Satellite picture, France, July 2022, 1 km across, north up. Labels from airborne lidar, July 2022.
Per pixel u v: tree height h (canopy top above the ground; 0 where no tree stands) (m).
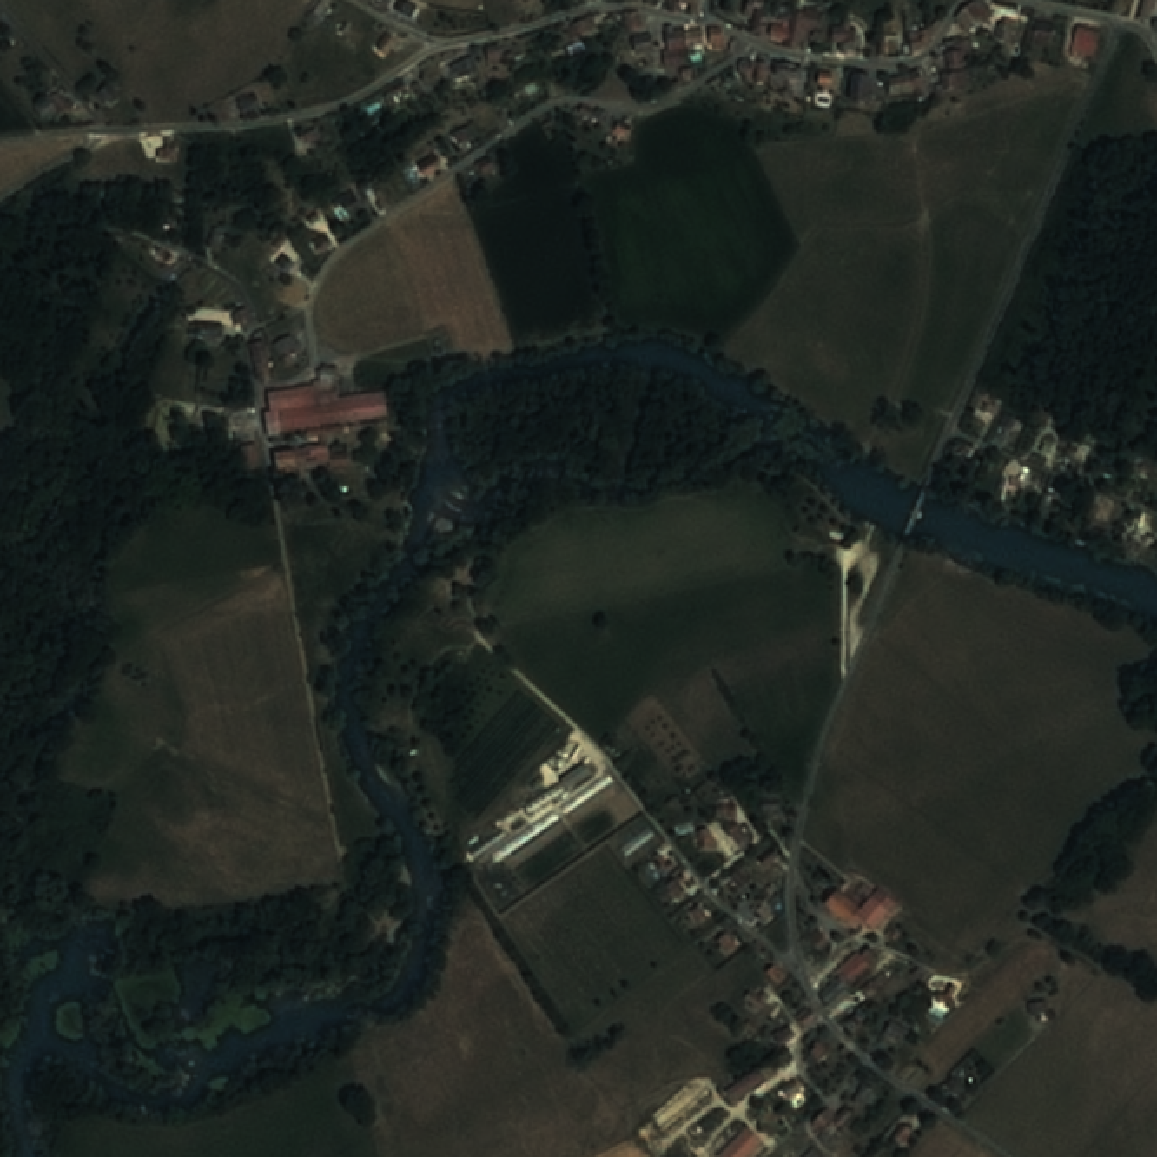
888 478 0
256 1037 0
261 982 14
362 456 11
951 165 0
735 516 0
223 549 0
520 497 17
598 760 0
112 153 0
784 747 0
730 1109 0
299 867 0
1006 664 0
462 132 0
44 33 0
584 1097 0
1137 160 8
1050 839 0
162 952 13
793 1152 0
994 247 0
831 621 0
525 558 0
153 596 0
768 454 19
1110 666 0
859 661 0
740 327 0
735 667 0
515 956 14
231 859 0
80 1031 0
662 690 0
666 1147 0
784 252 0
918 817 0
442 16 8
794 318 0
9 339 18
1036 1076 0
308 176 9
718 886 6
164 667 0
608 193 0
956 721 0
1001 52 6
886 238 0
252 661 0
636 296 0
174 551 0
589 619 0
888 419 23
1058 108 0
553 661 0
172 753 0
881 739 0
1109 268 22
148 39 0
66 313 19
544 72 15
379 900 15
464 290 0
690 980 0
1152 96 0
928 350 0
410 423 18
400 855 6
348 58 0
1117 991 0
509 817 0
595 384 19
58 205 26
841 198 0
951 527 0
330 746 0
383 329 0
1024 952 0
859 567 0
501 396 17
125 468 25
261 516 6
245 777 0
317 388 0
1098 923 0
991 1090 0
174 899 0
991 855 0
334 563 0
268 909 15
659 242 0
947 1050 0
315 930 10
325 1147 0
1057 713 0
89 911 11
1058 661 0
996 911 0
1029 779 0
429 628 0
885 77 11
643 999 0
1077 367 19
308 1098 0
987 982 0
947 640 0
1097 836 19
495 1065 0
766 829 10
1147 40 0
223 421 9
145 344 20
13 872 10
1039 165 0
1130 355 19
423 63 0
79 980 0
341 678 16
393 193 0
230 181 8
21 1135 0
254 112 7
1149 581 0
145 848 0
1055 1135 0
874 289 0
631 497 13
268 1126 0
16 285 21
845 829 0
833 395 0
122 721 0
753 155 0
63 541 31
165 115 0
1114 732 0
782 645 0
